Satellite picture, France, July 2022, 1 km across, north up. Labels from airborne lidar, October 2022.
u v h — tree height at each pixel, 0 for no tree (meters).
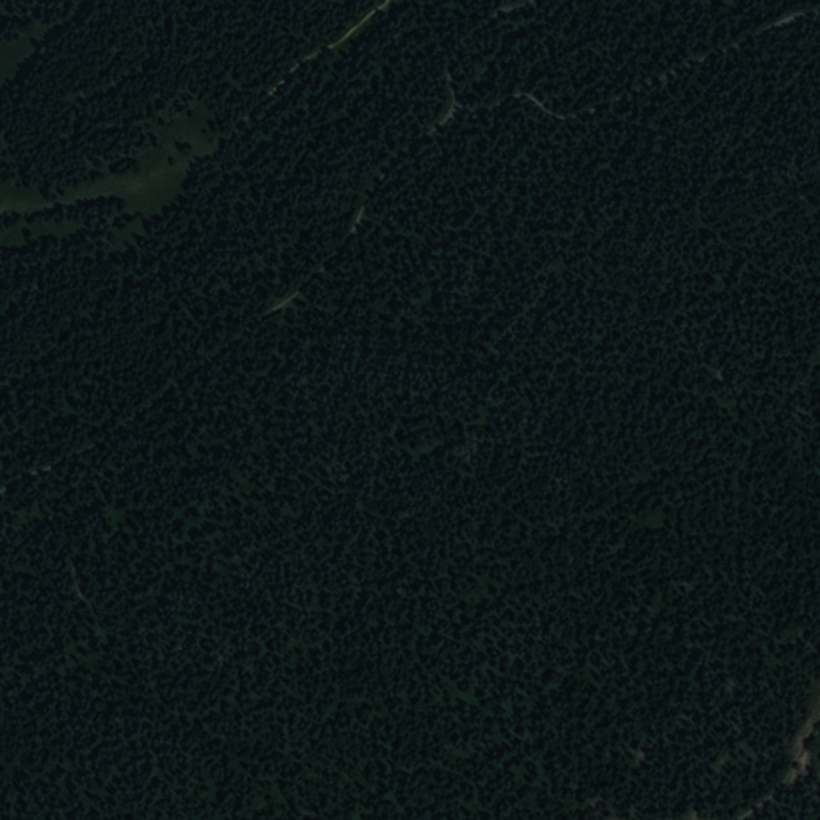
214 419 23
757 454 25
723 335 15
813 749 15
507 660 29
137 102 21
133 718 20
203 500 30
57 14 13
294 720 21
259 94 12
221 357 10
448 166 30
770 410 24
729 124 15
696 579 15
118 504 8
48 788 28
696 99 26
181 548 11
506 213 26
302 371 12
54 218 19
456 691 0
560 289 29
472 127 8
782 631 25
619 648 27
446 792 15
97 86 24
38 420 18
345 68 27
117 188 0
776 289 9
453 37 22
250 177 15
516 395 16
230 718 16
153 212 0
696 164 6
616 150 15
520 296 7
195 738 13
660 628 28
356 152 20
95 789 14
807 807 21
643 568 17
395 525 28
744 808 12
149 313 10
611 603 23
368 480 22
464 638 18
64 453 11
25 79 22
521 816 24
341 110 34
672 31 29
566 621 24
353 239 12
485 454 16
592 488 18
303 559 14
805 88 11
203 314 33
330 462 24
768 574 14
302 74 12
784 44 14
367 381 19
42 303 21
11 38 25
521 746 28
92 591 12
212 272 16
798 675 22
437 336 16
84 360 13
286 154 20
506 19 25
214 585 18
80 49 20
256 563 30
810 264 22
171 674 8
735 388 29
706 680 32
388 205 25
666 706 12
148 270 31
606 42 22
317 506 33
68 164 19
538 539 11
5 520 11
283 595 20
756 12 25
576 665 11
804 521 12
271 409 26
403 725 13
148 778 23
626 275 7
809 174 11
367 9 19
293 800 16
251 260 27
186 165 0
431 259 29
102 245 26
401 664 21
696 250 21
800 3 16
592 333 21
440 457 18
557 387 11
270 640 17
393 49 24
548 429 19
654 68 10
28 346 15
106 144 19
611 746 13
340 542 13
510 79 15
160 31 24
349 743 11
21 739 14
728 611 18
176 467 10
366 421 21
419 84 16
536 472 9
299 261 12
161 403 11
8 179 29
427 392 25
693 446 18
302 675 19
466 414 8
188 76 22
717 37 11
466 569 16
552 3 27
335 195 22
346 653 9
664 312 28
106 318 10
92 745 19
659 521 0
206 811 24
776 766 15
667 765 29
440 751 26
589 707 22
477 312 8
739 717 36
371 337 25
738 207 6
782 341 9
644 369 17
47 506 9
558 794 14
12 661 10
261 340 13
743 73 7
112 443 16
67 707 21
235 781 15
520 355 28
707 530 27
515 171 30
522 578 11
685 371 28
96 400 11
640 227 9
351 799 13
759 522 11
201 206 23
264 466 30
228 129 22
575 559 7
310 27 34
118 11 21
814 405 16
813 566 21
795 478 10
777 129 24
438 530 18
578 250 23
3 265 18
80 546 10
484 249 21
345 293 15
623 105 12
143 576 14
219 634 23
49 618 10
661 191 17
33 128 15
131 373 13
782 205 14
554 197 19
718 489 18
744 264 26
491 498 16
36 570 10
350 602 20
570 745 12
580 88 32
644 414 22
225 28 21
